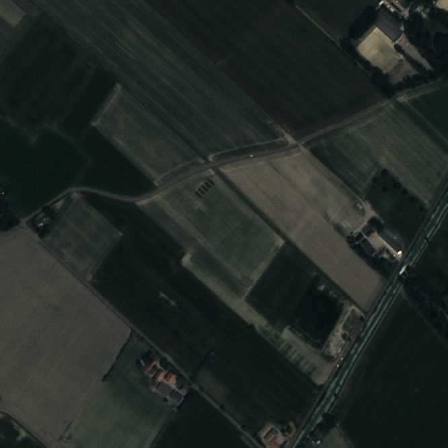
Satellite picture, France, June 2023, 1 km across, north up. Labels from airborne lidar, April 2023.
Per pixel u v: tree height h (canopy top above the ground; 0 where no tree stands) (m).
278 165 0
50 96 0
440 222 0
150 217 0
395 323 0
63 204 0
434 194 0
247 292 0
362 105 0
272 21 0
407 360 0
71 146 0
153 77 0
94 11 0
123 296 0
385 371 0
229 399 0
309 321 0
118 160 0
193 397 0
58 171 0
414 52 0
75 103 0
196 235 0
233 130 0
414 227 0
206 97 0
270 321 0
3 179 0
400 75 0
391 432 0
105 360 0
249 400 0
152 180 0
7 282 0
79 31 0
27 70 0
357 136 0
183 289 0
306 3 0
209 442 0
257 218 0
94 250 0
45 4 0
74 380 0
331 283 0
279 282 0
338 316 0
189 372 0
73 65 0
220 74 0
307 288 0
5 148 0
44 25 0
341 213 0
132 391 0
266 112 0
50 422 0
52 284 0
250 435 0
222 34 0
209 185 0
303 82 0
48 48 0
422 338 0
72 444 0
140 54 0
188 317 0
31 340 0
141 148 0
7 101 0
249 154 0
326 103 0
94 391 0
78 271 0
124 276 0
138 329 0
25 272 0
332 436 0
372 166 0
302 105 0
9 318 0
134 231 0
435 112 0
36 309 0
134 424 0
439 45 22
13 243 0
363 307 0
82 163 0
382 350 0
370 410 0
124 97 0
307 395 0
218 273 0
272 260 0
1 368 0
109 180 0
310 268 0
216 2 0
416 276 26
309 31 0
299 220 0
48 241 0
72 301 0
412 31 22
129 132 0
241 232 0
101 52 0
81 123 0
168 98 0
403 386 0
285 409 0
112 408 0
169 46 0
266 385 0
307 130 0
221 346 0
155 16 0
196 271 0
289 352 0
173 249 0
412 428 0
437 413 0
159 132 0
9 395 0
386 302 0
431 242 0
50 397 0
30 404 0
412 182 0
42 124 0
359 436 0
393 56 0
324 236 0
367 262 14
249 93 0
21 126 0
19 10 0
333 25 0
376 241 0
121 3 0
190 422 0
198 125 0
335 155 0
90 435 0
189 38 0
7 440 0
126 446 0
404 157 0
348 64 0
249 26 0
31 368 0
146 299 0
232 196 0
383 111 0
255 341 0
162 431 0
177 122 0
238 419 0
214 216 0
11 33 0
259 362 0
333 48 0
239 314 0
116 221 0
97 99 0
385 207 0
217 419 0
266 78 0
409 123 0
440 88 0
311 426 0
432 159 0
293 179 0
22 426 0
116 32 0
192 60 0
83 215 0
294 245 0
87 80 0
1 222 12
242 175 0
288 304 0
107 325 0
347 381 0
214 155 0
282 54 0
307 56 0
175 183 0
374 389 0
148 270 0
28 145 0
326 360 0
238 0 0
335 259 0
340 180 0
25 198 0
